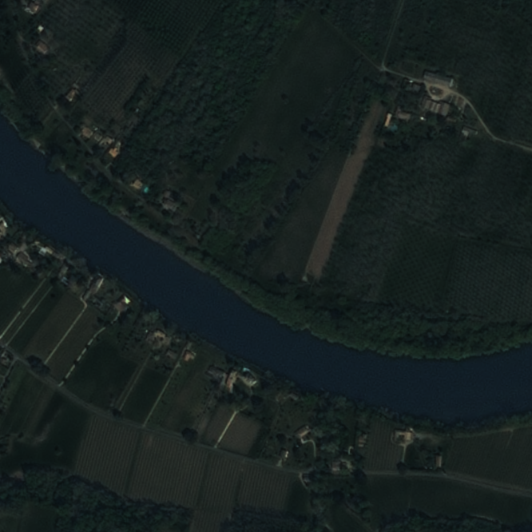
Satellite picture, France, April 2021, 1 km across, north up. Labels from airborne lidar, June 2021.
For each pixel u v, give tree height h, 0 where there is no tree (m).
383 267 13
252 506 0
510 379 0
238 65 7
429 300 9
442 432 7
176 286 0
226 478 0
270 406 0
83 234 0
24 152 0
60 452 12
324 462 13
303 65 0
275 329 0
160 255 0
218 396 7
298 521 20
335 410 26
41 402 0
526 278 10
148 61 27
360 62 7
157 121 14
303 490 0
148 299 0
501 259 7
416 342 10
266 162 10
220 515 0
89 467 0
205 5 18
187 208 12
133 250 0
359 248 11
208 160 8
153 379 0
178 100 16
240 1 11
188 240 9
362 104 5
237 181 17
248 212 11
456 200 12
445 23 10
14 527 0
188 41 22
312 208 0
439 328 18
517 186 12
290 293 15
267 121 0
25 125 17
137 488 0
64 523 9
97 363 0
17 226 13
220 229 12
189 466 0
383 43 6
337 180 0
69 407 0
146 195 6
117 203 15
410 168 12
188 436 14
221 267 18
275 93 0
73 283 16
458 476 0
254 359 0
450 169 10
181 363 0
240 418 0
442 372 0
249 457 0
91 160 11
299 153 0
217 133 15
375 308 7
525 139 10
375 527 0
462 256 6
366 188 11
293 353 0
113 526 26
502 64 12
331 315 17
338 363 0
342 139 0
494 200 11
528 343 10
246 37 8
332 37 0
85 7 13
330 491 9
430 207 13
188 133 21
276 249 0
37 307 0
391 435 0
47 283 0
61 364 0
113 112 20
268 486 0
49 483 20
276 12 11
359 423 7
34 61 19
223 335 0
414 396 0
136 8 26
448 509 0
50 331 0
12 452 0
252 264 18
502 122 12
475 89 9
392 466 0
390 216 14
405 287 8
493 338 17
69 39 14
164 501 0
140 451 0
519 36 9
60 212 0
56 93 13
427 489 0
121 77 25
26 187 0
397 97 14
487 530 19
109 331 14
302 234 0
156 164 16
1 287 0
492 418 9
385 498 0
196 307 0
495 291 10
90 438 0
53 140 0
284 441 11
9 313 0
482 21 9
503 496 0
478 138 0
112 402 6
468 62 12
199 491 0
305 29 0
